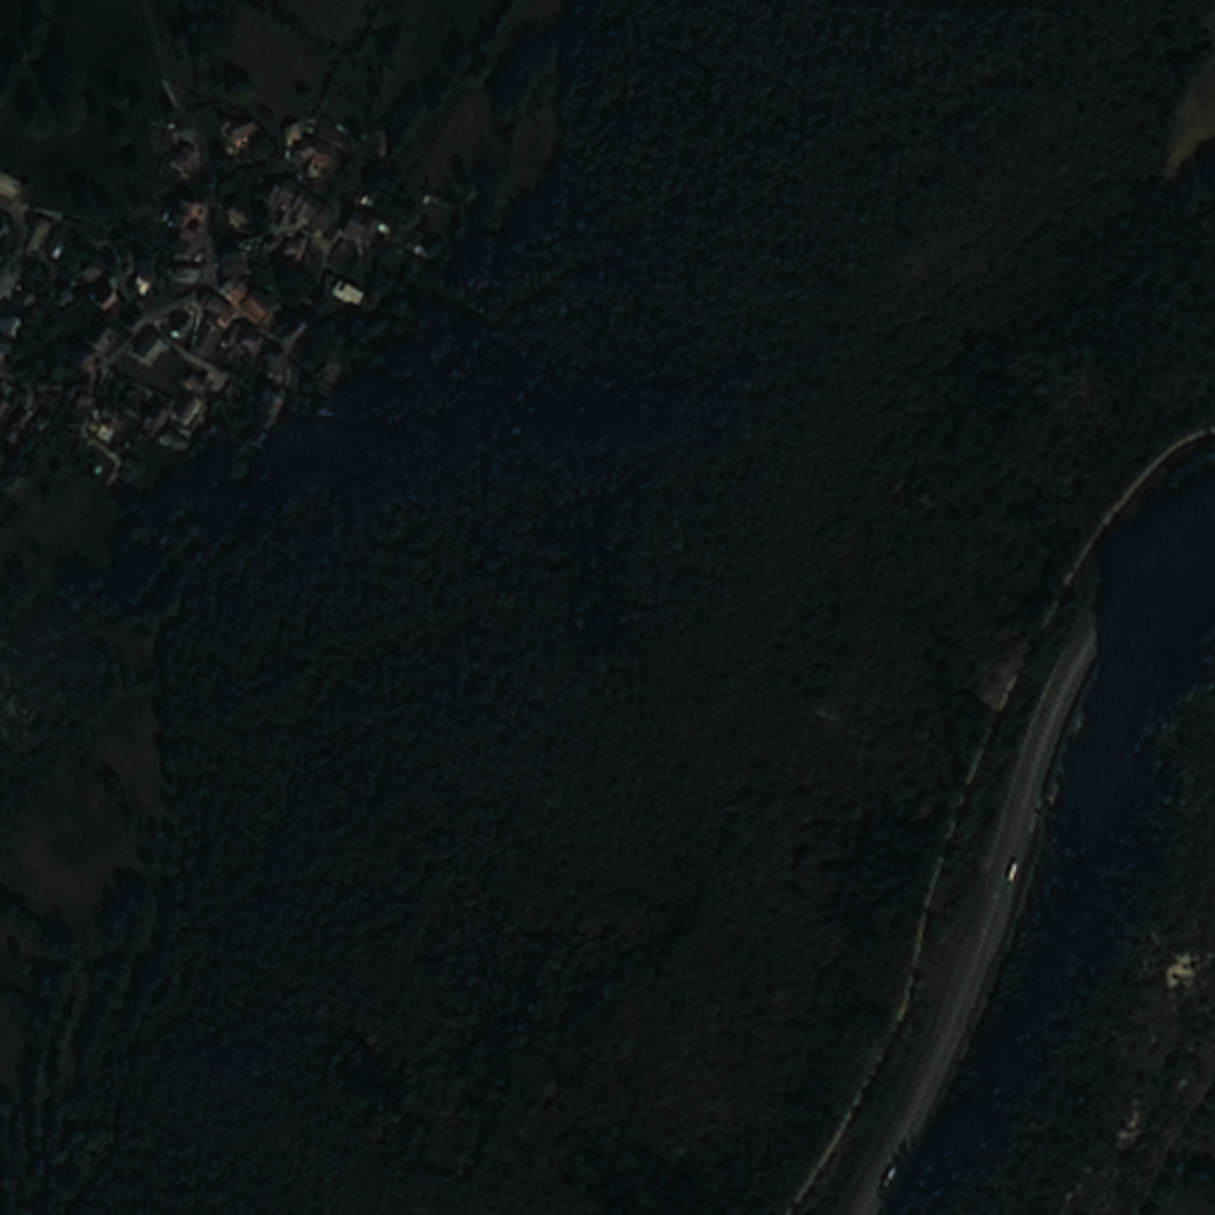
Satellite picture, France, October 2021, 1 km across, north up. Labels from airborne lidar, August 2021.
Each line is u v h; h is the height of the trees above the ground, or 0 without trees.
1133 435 21
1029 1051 13
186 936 11
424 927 14
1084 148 13
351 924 12
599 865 13
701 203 18
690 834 18
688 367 15
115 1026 12
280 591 14
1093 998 12
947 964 0
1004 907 0
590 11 22
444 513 14
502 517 13
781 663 16
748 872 16
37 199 0
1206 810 10
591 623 9
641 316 13
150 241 10
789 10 14
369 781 15
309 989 14
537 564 11
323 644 10
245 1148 10
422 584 15
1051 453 23
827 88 8
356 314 7
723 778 23
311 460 19
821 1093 26
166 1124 15
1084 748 0
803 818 27
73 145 0
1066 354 27
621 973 14
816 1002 25
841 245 7
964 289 11
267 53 0
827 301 6
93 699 10
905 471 12
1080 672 0
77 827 0
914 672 25
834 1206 7
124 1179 15
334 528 14
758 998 21
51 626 12
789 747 23
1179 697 8
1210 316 17
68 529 0
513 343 14
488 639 14
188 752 15
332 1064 18
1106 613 0
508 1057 16
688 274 12
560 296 9
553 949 19
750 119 14
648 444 16
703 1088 24
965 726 21
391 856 17
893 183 8
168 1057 10
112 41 0
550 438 17
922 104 13
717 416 13
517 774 7
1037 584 12
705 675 9
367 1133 18
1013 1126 10
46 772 17
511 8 11
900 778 18
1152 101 18
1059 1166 7
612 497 13
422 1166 12
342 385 0
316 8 0
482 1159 20
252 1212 12
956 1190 15
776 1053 25
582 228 19
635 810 13
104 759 0
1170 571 0
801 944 21
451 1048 14
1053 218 13
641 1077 19
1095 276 24
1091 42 17
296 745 12
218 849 16
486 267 19
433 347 17
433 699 8
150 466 0
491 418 12
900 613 25
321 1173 6
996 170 7
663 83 16
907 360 19
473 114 0
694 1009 16
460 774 7
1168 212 24
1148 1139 7
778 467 6
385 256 12
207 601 15
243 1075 8
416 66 0
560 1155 29
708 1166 26
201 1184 17
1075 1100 19
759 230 14
